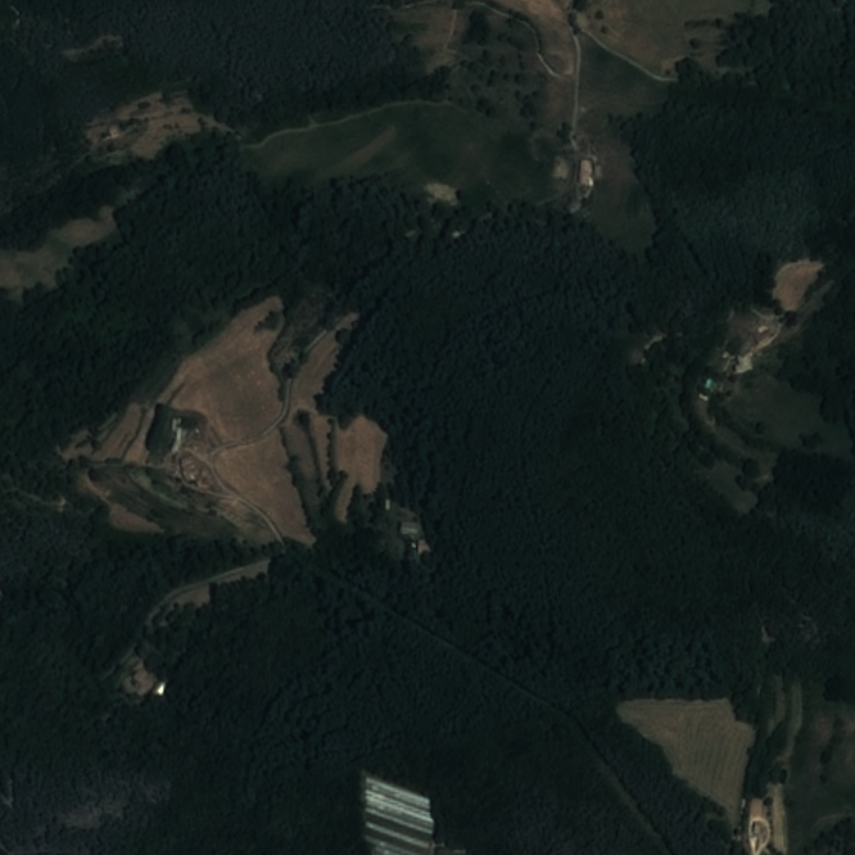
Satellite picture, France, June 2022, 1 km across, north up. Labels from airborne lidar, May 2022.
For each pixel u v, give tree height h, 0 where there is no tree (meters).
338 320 28
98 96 14
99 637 16
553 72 0
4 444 13
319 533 10
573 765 21
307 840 14
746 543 23
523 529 23
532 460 22
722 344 6
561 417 23
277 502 0
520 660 15
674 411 13
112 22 12
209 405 0
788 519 15
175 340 7
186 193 19
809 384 21
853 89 13
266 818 15
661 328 18
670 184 9
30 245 28
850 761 0
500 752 23
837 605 18
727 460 16
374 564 18
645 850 21
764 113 12
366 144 0
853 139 18
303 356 11
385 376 34
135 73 14
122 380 10
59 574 17
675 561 22
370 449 0
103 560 13
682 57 0
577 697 28
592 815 11
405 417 14
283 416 0
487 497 23
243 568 10
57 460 6
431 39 0
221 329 10
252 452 0
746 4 0
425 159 0
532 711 29
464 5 7
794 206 10
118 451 0
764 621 13
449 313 21
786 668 8
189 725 19
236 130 15
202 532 0
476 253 17
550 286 19
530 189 0
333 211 17
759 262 18
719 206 9
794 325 17
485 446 22
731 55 16
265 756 27
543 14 0
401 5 14
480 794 19
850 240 19
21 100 16
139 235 20
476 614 28
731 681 17
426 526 16
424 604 29
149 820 12
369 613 37
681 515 25
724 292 12
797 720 0
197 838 18
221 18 24
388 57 15
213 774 15
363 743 28
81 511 10
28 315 10
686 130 15
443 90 11
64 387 16
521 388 26
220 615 14
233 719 19
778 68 15
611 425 23
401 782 17
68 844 16
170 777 16
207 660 22
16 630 21
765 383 0
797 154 16
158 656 11
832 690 18
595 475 21
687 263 22
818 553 21
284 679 19
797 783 0
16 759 10
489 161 0
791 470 14
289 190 7
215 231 21
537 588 25
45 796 12
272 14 23
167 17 13
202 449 0
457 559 16
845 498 18
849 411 16
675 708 0
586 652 23
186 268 18
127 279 18
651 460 15
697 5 0
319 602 33
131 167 14
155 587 15
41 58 14
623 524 19
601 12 7
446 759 19
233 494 0
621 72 0
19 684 18
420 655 27
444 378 31
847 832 13
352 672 25
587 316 34
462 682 24
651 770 24
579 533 18
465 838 17
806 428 0
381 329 33
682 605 21
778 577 22
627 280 19
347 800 13
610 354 19
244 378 0
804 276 0
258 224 19
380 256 12
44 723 18
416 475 17
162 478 0
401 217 21
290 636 22
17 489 8
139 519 0
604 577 17
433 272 22
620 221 0
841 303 12
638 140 9
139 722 19
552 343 25
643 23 0
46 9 15
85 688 17
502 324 26
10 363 15
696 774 0
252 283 13
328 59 25
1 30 7
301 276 18
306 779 17
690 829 21
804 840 0
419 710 28
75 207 29
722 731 0
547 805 17
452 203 0
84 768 18
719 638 22
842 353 18
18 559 19
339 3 16
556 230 14
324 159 0
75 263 11
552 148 0
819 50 16
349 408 24
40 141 12
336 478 10
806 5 18
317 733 26
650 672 31
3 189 11
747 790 11
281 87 24
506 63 9
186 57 15
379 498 9
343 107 20
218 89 17
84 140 6
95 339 6
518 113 0
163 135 0
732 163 15
